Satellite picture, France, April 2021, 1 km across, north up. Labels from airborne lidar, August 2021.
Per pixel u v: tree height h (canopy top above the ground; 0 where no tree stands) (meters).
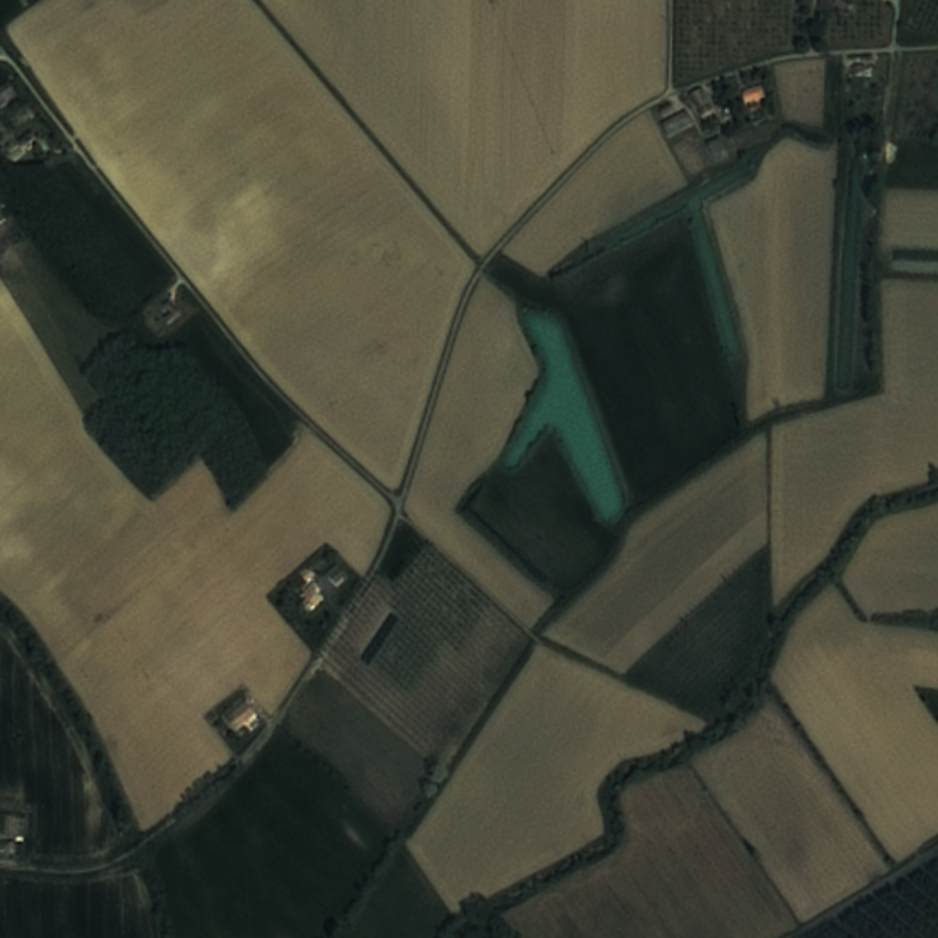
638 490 0
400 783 0
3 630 0
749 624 11
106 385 15
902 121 0
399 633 20
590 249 19
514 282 0
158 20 0
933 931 13
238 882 0
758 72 10
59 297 0
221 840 0
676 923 0
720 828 0
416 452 0
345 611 0
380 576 15
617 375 0
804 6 8
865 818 12
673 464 0
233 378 0
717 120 8
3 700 0
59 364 0
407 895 0
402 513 0
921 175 0
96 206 0
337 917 0
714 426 0
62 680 11
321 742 0
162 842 14
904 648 0
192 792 9
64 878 0
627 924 0
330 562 7
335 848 0
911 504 10
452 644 20
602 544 0
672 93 0
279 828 0
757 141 0
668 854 0
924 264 0
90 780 0
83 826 0
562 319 0
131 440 15
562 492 0
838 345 0
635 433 0
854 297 0
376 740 0
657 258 0
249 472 14
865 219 0
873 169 15
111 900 0
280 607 11
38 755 0
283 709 0
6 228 0
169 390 22
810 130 0
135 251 0
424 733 23
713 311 0
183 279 0
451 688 19
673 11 0
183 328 0
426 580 19
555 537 0
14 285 0
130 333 13
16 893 0
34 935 0
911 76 0
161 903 12
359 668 23
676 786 0
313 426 0
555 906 0
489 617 18
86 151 0
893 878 0
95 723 13
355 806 0
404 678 21
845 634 0
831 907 0
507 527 0
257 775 0
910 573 0
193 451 16
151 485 11
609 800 8
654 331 0
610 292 0
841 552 11
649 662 11
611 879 0
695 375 0
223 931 0
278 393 0
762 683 13
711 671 12
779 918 0
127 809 16
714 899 0
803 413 0
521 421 6
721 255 0
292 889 0
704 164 0
